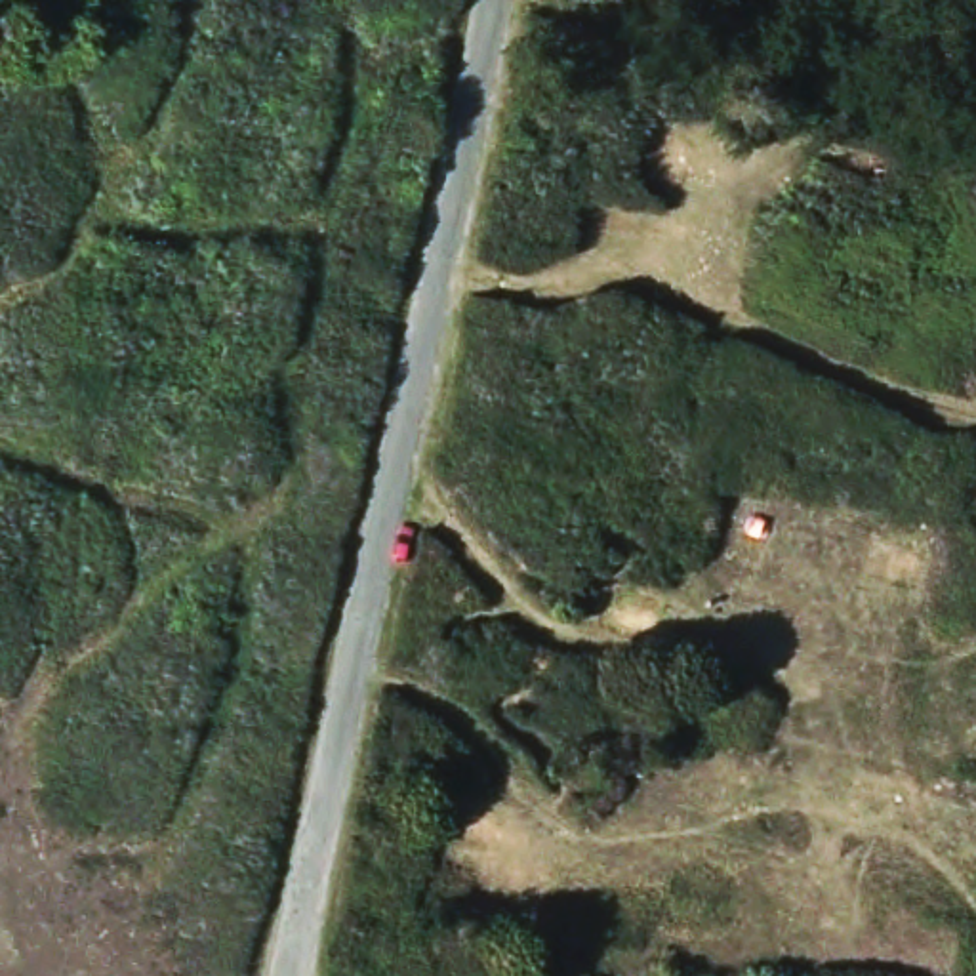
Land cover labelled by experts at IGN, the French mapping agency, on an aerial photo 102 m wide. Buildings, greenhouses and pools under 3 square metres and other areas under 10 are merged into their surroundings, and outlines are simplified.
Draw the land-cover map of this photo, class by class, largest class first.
<instances>
[{"label":"herbaceous vegetation","instance_id":"1","mask_svg":"<svg viewBox=\"0 0 976 976\"><path fill-rule=\"evenodd\" d=\"M477 0H202L194 11L191 57L153 133L137 118L145 114L149 95L156 88L84 107L76 88L0 84V698H23L42 656L72 652L84 637L111 629L133 595L141 599V618L133 621L130 637H122L111 652L95 656L88 667L69 675L46 702L34 740L42 770L38 808L46 812L50 827H65L72 835L153 839L149 854L137 858L141 869H156L164 877V888L145 896L141 926H164L160 949L172 953L179 976H259L290 873L309 755L324 713L336 633L324 629V618L339 576L347 519L358 499L366 431L374 419H381L377 404L385 397L389 355L385 336L397 328L404 332L408 324L412 294L400 290V271L416 240V217L427 191V164H435L446 133V103L438 95V50L446 38H458L465 46V19ZM526 15L549 27V42L583 46L591 76L602 88H614L629 69L621 15L633 0H522ZM743 309L751 313L747 328L793 339L816 351L820 358L858 370L862 377L907 393L915 400H926L934 389L976 400V175H953L949 168L896 172L885 160V172H869L846 156H827L820 164V187L793 183L782 194L755 202L747 233V267L740 286ZM461 347L454 362V374L465 377V393H458L446 404L450 419L442 423L458 438V446L442 438L427 458L435 465L438 484L450 488L454 507L480 534H492L496 545L515 549L526 560L522 591L534 595L541 606L557 610L560 618L583 621L606 614L610 591L618 583L675 591L686 576L713 568L736 530L740 499H801L808 507H858L885 515L892 530L934 526L942 534L946 568L930 580V599L919 602L900 629V656L892 663L896 709H865L858 694L850 702L843 694H820L812 702H797L789 694L782 732L763 755L770 766L797 774V766L812 759V740L846 747L862 743V766L873 774H911L919 785L938 778L976 782V423H965L957 435H930L881 404H869L824 377L801 374L770 351L747 343H713L705 339L702 324L671 320L637 297L614 294L606 282L568 297H545L530 290L465 294L458 313ZM397 541L408 545V560L393 568L389 580V610L381 621L377 663L412 667L427 648H446L469 660L477 644L519 637L534 656L602 660L599 644L560 641L549 629L526 621L522 614H511L503 602V587L465 553L454 530L435 522H404V534ZM450 732L435 724L427 713L397 702V686H381L377 721L366 728L358 747L343 839L332 869L316 961L320 976H545L541 942L526 938L511 919H492L488 930L473 923H442V900L469 892L480 877L469 862L450 858V846L461 839V831L435 816V778H419L408 785V759L416 751L442 755ZM530 702L526 686L511 690L507 702H488V709H473L469 717L473 728L496 751H503L507 778L534 782L538 766H549V747L534 732L515 728L503 713V705ZM568 808V820L576 827H602L625 804H633V797L602 774V766H583L580 774L564 778L553 793ZM736 885L713 865L690 862L671 877L667 888L618 892L621 919L614 923L610 949L602 953L591 976H938L930 968L900 961L755 957L743 965H717L702 953H690L679 942L660 938L656 930L728 926L736 919ZM926 926H949L957 934V968L946 976H976V881L968 892H961L953 907H930L923 915Z\"/></svg>","mask_w":976,"mask_h":976},{"label":"pervious surface","instance_id":"2","mask_svg":"<svg viewBox=\"0 0 976 976\"><path fill-rule=\"evenodd\" d=\"M526 15L522 0H477L465 19V46L458 38H446L438 50V95L446 103V133L435 164H427V191L416 217V240L400 271V290L412 294L408 324L404 332L397 328L385 336L389 355L385 397L377 404L381 419H374L366 431L358 499L347 519L339 576L324 618V629L336 633L324 713L309 755L290 873L259 976H320L316 961L332 869L343 839L358 747L366 728L377 721L381 686H397V702L427 713L435 724L450 732L442 755L416 751L408 759V785L419 778H435V816L461 831V839L450 846V858L469 862L480 877L469 892L442 900V923H473L488 930L492 919H511L526 938L541 942L545 976H591L602 953L610 949L614 923L621 919L618 892L667 888L671 877L690 862L713 865L736 885V919L728 926L656 930L660 938L679 942L690 953H702L717 965H743L755 957L900 961L930 968L938 976H946L957 968V934L949 926H926L923 915L930 907H953L961 892H968L976 881V782L938 778L919 785L911 774H873L862 766V743L846 747L812 740V759L797 766V774L770 766L763 755L702 759L656 770L637 785L633 797V804H625L602 827H576L568 820V808L553 793H545L534 782L507 778L503 751H496L473 728L469 717L458 705L438 702L446 694V648H427L412 667L377 663L381 621L389 610V580L393 568L408 560V545L397 541L404 534V522H435L454 530L465 553L503 587V602L511 614H522L526 621L549 629L560 641L599 644L629 641L633 633L652 629L660 621L774 610L785 614L797 629V652L778 671L789 694L797 702H812L820 694H843L850 702L858 694L865 709H896L892 663L900 656V629L919 602L930 599V580L946 568L942 534L934 526L892 530L885 515L858 507H808L801 499H740L736 530L713 568L686 576L675 591L618 583L610 591L606 614L583 621L560 618L557 610L541 606L534 595L522 591L526 560L515 549L496 545L492 534H480L454 507L450 488L438 484L435 465L427 458L442 438L458 446V438L442 423L450 419L446 404L458 393H465V377L454 374V362L461 347L458 313L465 294L530 290L545 297H568L606 282L614 294L637 297L671 320L702 324L705 339L713 343H747L770 351L801 374L824 377L869 404H881L930 435H957L965 423H976V400L934 389L926 400H915L907 393L862 377L858 370L820 358L816 351L793 339L747 328L751 313L743 309L740 286L747 267V233L755 202L782 194L793 183V160L801 156L797 137L755 149L751 156H732L728 141L702 122L671 126L663 164L671 179L682 187L679 210L641 214L618 206L606 214L595 248L549 271L511 275L480 263L473 229L477 210L484 202V168L496 149V118L507 99V46L522 34Z\"/></svg>","mask_w":976,"mask_h":976},{"label":"deciduous trees","instance_id":"3","mask_svg":"<svg viewBox=\"0 0 976 976\"><path fill-rule=\"evenodd\" d=\"M629 69L644 80V92H660L671 80L694 84L709 69L743 61L755 69L770 57L778 72L763 88L766 103L785 107L789 114L820 118L835 114L839 107L854 111L869 122V149L885 160L896 172L949 168L953 175H976V0H633L621 15ZM538 61H549L557 76L568 84V92L602 88L591 76L583 46L549 42L541 46ZM602 660L534 656L519 637L477 644L469 660L446 648V694L438 702L458 705L469 717L473 709H488V702H507L511 690L526 686L530 702L503 705V713L515 728L534 732L549 747V766H538L534 782L545 793H553L564 778L580 774L583 766H602V747H595L591 732L618 728V717L644 732L698 724L702 759L763 755L782 732L789 694L778 671L797 652V629L785 614L774 610L660 621L652 629L633 633L629 641L599 644Z\"/></svg>","mask_w":976,"mask_h":976},{"label":"brushwood","instance_id":"4","mask_svg":"<svg viewBox=\"0 0 976 976\"><path fill-rule=\"evenodd\" d=\"M202 0H0V84L76 88L84 107L156 88L149 95L145 114L137 118L153 133L191 57L194 11ZM549 42V27L526 15L522 34L507 46V99L496 118V149L484 168V202L477 210L473 229L480 263L511 275L549 271L595 248L606 214L618 206L641 214L679 210L682 187L671 179L663 164L671 126L702 122L728 141L732 156H751L755 149L797 137L801 156L793 160V183L820 187V164L827 156H846L869 172H885V160L869 149V122L854 111L839 107L835 114L820 118L789 114L785 107L766 103L763 88L778 72L770 57L755 69L743 61L709 69L694 84L671 80L660 92H644V80L629 69L614 88H602L568 92V84L557 76L549 61H538L541 46ZM595 747H602V774L633 797L637 785L656 770L702 759L698 724L644 732L618 717V728L591 732Z\"/></svg>","mask_w":976,"mask_h":976},{"label":"bare soil","instance_id":"5","mask_svg":"<svg viewBox=\"0 0 976 976\"><path fill-rule=\"evenodd\" d=\"M141 618V599L133 595L111 629L84 637L72 652L42 656L23 698H0V976H179L172 953L160 949L164 926H141L145 896L164 888V877L156 869H141L137 858L149 854L153 839L72 835L65 827H50L46 812L38 808L42 770L34 740L46 702L69 675L88 667L95 656L111 652L122 637H130L133 621Z\"/></svg>","mask_w":976,"mask_h":976}]
</instances>
